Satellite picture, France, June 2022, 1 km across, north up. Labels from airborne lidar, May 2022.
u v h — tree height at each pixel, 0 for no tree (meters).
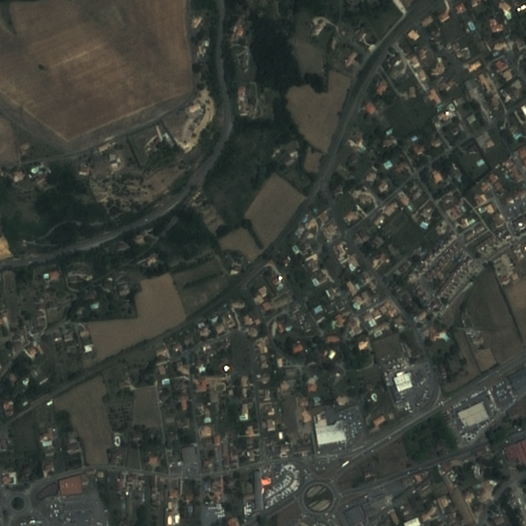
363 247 7
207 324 8
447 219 0
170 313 0
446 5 0
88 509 0
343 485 0
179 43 0
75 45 0
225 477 8
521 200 0
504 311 0
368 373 0
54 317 0
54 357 0
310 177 12
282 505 0
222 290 0
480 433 0
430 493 0
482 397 0
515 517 13
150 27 0
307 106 0
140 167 7
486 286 0
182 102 0
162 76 0
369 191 0
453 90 0
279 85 13
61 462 0
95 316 8
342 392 0
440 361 9
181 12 0
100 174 0
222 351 7
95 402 0
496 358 0
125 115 0
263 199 0
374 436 0
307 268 0
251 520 0
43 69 8
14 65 0
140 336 0
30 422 0
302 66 0
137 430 12
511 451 0
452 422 0
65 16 0
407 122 0
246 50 0
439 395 0
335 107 0
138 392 0
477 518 0
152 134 0
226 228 14
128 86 0
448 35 0
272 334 0
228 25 13
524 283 0
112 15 0
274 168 20
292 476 0
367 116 15
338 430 0
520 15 6
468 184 6
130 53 0
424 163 11
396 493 0
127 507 0
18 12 0
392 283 6
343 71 0
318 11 9
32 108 0
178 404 6
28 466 10
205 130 7
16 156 0
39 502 0
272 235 0
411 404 0
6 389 7
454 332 8
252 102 12
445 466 0
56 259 15
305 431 0
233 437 0
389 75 0
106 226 8
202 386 0
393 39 0
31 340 6
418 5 0
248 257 0
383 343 0
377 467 0
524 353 0
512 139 10
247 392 10
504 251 0
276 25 11
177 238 14
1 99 0
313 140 0
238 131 12
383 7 8
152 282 0
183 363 10
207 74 7
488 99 7
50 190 11
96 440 0
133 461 0
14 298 0
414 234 0
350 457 0
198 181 0
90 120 0
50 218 6
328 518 0
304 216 0
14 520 0
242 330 0
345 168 0
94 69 0
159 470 7
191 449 0
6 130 0
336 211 0
